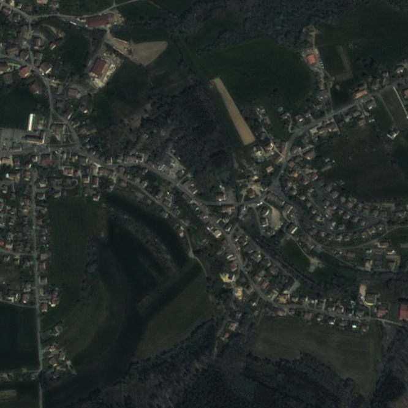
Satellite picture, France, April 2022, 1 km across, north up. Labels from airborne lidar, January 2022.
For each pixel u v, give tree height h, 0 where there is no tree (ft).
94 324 0
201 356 91
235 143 0
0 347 0
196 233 0
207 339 75
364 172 0
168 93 0
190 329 0
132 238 0
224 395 80
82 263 0
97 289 0
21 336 0
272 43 0
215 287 35
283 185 24
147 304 0
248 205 0
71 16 0
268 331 0
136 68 0
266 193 0
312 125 0
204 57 0
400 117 0
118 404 0
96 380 0
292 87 0
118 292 0
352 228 0
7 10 0
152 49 0
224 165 64
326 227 0
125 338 0
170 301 0
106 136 0
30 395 0
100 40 0
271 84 0
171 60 0
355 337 0
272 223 0
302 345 0
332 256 0
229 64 0
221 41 42
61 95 24
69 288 0
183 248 0
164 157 0
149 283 0
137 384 0
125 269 0
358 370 0
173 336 0
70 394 0
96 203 0
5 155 0
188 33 94
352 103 0
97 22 0
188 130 38
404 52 0
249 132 0
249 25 64
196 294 0
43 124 0
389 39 0
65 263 0
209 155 88
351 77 0
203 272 0
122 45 0
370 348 0
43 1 0
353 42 0
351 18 0
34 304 23
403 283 75
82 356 0
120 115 0
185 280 0
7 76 0
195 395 79
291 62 0
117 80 0
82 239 0
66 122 0
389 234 0
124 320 0
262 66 0
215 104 0
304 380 57
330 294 109
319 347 0
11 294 0
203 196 44
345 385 19
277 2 63
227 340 33
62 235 0
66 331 0
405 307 0
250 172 0
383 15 0
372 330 0
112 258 0
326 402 22
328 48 0
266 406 71
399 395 69
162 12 0
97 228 0
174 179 0
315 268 0
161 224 0
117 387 38
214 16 60
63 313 0
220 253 0
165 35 0
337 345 0
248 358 36
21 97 0
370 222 0
